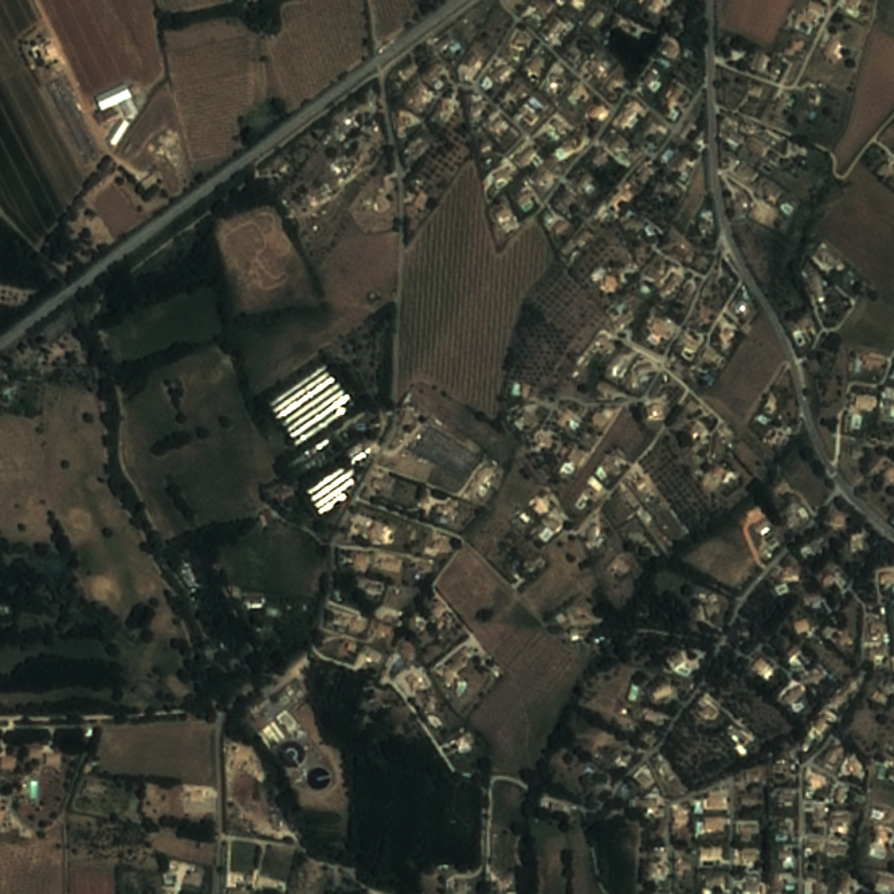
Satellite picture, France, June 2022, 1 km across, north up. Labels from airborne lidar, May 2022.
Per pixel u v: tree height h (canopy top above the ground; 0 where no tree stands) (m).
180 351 11
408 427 9
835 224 0
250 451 0
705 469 11
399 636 10
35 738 9
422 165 8
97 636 9
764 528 0
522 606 0
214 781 0
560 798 13
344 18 0
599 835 16
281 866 0
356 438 8
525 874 16
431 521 6
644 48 8
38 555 10
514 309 0
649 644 14
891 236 0
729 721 7
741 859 0
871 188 0
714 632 9
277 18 6
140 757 0
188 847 0
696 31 10
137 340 0
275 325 8
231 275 0
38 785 0
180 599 14
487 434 0
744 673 13
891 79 0
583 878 0
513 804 0
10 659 0
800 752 6
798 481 0
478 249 0
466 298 0
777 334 0
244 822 0
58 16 0
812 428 0
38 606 9
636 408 6
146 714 8
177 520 0
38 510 0
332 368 13
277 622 7
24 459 0
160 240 6
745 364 0
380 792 8
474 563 0
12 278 12
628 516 0
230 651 9
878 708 11
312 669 7
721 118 10
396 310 8
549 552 0
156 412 0
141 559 0
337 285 0
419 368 0
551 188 0
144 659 0
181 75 0
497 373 0
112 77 0
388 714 7
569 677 0
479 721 0
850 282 0
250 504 0
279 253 0
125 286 18
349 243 0
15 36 0
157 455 8
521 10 6
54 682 10
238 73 0
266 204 7
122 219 0
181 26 16
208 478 0
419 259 0
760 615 9
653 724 8
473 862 9
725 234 0
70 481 0
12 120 0
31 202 0
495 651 0
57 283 14
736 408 0
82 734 9
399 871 7
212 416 0
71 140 0
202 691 11
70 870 0
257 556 0
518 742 0
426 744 7
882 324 0
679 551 12
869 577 11
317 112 0
